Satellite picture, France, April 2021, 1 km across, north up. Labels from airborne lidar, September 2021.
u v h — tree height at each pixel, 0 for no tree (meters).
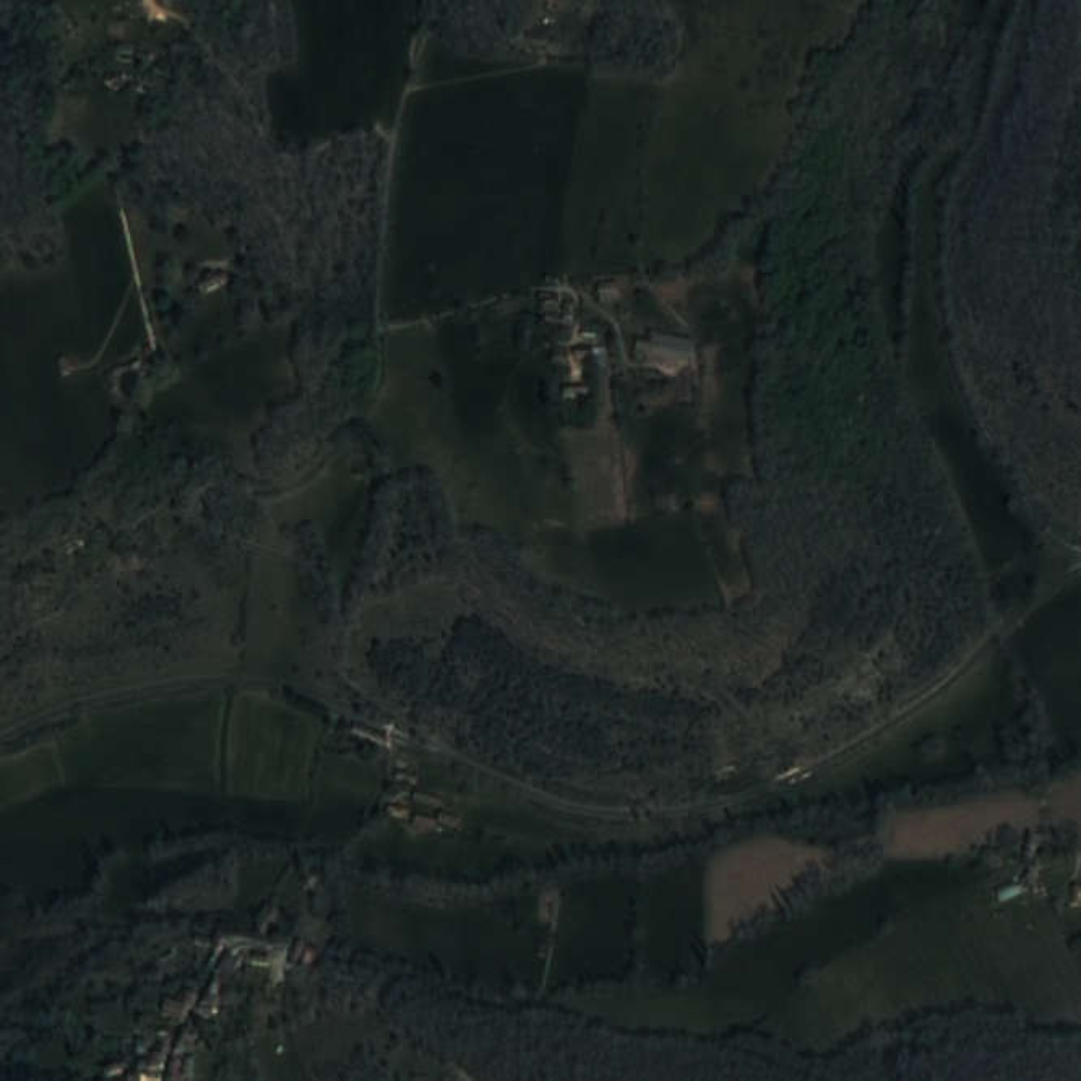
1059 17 12
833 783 0
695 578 0
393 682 8
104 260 0
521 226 0
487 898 20
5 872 0
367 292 17
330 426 16
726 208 0
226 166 25
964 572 18
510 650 16
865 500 20
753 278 0
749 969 0
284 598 0
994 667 0
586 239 0
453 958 0
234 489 18
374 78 0
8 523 18
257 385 0
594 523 0
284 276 24
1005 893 0
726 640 23
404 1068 0
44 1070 0
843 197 23
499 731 10
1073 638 0
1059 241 15
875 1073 13
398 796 15
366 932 0
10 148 20
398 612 0
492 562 19
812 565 21
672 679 11
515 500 0
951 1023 19
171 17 0
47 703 0
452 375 0
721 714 9
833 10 0
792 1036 0
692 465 0
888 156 10
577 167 0
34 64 21
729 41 0
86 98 0
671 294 0
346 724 10
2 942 0
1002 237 21
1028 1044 19
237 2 19
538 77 0
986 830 0
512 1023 18
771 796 7
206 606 0
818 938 0
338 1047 0
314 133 0
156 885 0
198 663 0
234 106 16
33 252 21
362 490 0
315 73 0
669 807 15
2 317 0
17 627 9
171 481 21
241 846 19
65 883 0
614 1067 10
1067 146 6
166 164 19
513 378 0
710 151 0
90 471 12
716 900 0
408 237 0
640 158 0
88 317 0
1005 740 17
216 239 0
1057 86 13
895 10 14
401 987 15
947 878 6
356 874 24
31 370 0
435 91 0
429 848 0
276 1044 0
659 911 0
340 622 19
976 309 13
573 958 0
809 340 26
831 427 23
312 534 16
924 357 0
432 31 13
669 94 0
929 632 7
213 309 0
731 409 0
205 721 0
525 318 9
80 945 13
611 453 0
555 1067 10
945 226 16
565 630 21
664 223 0
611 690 9
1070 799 0
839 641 9
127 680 0
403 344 0
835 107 19
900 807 24
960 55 13
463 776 12
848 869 36
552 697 9
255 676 0
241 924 18
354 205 11
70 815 0
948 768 0
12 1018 10
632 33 17
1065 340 14
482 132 0
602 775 6
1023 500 9
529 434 0
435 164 0
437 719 15
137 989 12
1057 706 0
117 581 10
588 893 0
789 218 21
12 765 0
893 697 8
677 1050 12
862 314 28
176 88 20
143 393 30
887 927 13
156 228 18
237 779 0
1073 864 10
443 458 0
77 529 10
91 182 14
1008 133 16
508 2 21
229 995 17
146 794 0
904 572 15
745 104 0
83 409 0
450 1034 17
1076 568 0
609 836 0
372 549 21
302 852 13
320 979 10
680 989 15
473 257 0
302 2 0
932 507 22
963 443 0
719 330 0
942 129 32
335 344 21
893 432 20
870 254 24
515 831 0
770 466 21
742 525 21
